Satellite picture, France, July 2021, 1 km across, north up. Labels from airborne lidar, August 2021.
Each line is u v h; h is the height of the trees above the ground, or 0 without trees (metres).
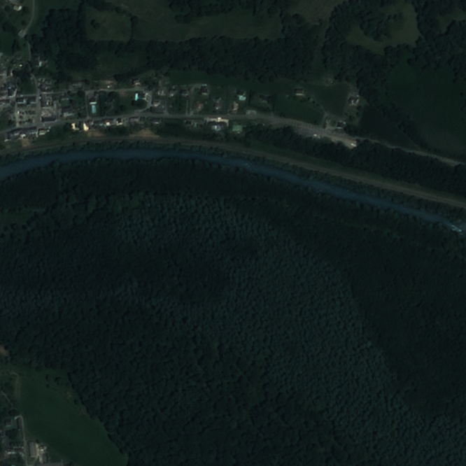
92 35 0
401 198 19
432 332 21
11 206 16
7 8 11
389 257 17
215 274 30
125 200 28
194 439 33
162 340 35
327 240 19
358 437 26
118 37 0
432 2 14
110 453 0
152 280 30
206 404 34
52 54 6
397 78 0
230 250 30
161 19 0
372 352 34
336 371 27
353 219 13
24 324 34
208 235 29
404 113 10
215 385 32
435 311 19
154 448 34
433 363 16
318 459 29
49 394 0
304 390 27
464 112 11
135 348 36
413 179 22
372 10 22
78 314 34
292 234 21
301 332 24
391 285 22
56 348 25
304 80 16
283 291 19
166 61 12
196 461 32
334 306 31
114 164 19
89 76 0
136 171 14
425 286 21
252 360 32
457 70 17
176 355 36
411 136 18
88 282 28
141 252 26
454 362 21
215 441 35
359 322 29
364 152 26
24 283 24
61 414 0
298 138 16
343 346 26
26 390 0
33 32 0
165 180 13
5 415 11
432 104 0
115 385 17
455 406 26
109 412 27
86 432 0
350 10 22
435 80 0
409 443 30
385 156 26
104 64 0
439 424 27
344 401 33
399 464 28
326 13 0
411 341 19
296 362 25
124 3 0
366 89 13
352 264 19
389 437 22
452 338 15
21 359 27
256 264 29
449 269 19
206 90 0
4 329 34
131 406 31
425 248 12
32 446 0
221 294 30
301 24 22
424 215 0
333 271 22
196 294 25
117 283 27
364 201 0
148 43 9
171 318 27
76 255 27
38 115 0
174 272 26
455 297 19
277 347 31
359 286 21
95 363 26
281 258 26
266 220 19
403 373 22
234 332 29
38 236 35
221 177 15
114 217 28
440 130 0
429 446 25
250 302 30
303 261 30
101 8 23
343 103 0
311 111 0
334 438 7
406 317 19
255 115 0
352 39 0
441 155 7
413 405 25
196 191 11
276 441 35
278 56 27
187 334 32
